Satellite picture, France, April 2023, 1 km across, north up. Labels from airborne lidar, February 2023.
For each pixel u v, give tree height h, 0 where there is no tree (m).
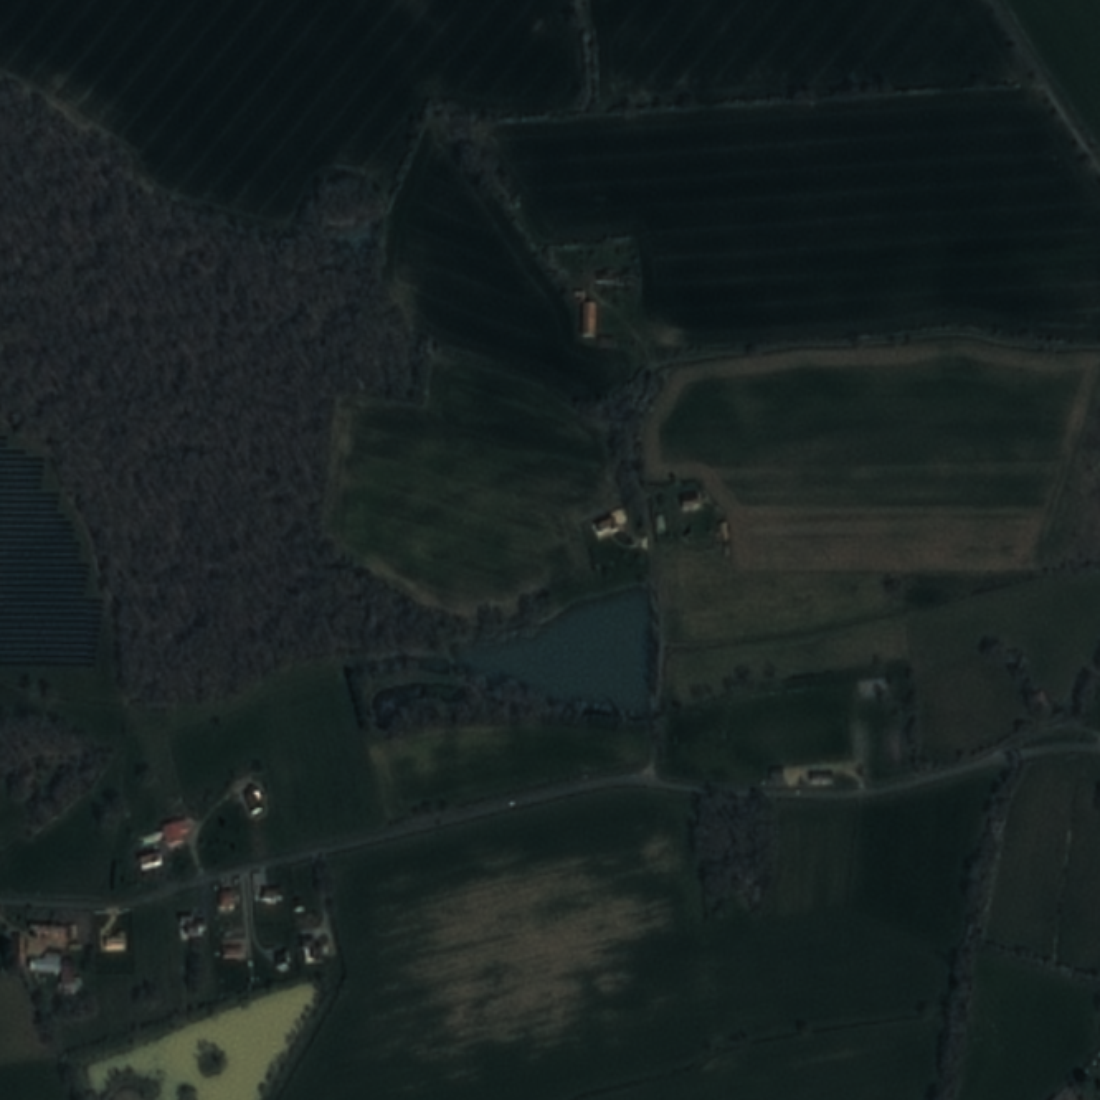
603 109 10
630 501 13
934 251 0
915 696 7
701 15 0
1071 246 0
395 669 18
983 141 0
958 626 0
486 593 0
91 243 22
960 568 0
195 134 0
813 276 0
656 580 0
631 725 9
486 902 0
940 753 0
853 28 0
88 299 19
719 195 0
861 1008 0
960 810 0
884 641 0
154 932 0
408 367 17
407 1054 0
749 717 0
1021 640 0
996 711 0
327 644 22
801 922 0
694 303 0
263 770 12
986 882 13
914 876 0
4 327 16
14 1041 0
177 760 0
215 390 17
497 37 0
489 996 0
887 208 0
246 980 0
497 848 0
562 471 0
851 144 0
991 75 0
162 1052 0
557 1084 0
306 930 0
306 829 0
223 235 16
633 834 0
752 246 0
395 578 0
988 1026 0
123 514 14
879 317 0
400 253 0
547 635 0
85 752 15
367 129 0
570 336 0
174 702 23
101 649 0
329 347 21
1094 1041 0
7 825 0
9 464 0
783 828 0
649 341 0
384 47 0
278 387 17
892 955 0
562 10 0
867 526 0
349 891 0
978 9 0
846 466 0
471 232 0
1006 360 0
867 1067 0
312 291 23
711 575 0
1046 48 0
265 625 25
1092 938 0
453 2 0
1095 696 17
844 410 0
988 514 0
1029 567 0
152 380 23
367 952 0
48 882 0
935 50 0
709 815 21
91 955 8
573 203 0
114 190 22
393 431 0
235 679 21
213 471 23
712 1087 0
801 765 0
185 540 16
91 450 23
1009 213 0
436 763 0
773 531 0
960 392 0
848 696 0
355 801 0
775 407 0
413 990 0
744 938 0
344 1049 0
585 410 14
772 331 0
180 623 21
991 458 0
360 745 0
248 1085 0
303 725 0
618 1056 0
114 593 15
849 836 0
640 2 0
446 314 0
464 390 0
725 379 0
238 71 0
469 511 0
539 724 17
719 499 0
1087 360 0
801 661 0
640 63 0
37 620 0
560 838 0
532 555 0
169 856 0
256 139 0
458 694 0
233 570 19
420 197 0
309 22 0
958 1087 19
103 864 0
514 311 0
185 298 20
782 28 0
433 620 16
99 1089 0
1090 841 0
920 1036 0
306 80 0
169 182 0
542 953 0
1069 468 0
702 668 0
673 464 0
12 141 22
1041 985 0
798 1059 0
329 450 15
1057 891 0
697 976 0
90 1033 0
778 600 0
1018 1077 0
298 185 0
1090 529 0
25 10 0
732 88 0
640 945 0
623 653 0
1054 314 0
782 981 0
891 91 18
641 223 0
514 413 0
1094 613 0
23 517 0
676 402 0
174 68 0
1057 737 0
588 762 0
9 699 0
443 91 0
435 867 0
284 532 23
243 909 0
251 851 0
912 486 0
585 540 0
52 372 23
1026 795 0
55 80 0
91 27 0
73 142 23
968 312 0
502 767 0
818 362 0
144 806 0
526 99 0
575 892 0
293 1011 0
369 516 0
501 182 15
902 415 0
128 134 0
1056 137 0
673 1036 0
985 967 0
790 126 0
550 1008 0
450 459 0
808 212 0
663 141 0
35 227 22
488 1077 0
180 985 0
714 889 18
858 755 0
